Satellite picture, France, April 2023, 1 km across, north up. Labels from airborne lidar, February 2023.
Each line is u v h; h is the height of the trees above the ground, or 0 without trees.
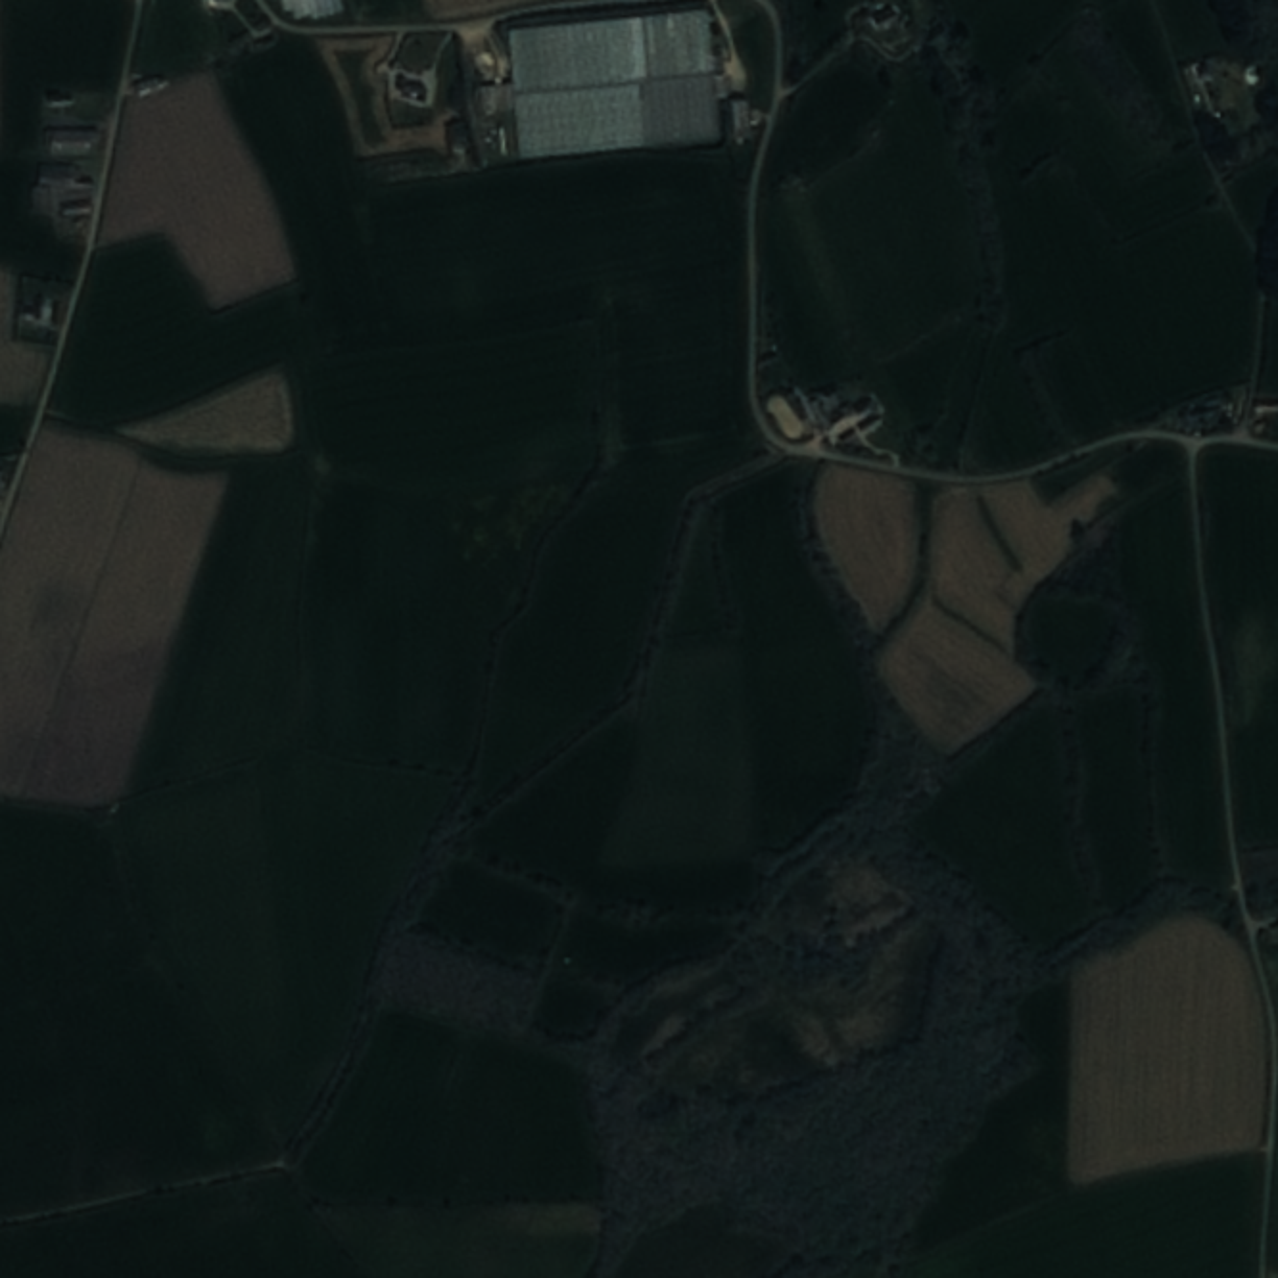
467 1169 0
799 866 7
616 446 0
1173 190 0
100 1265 0
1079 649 0
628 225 0
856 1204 9
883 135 0
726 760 0
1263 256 11
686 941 0
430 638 0
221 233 0
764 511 0
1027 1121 0
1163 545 0
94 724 0
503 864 6
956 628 0
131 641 0
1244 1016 0
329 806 0
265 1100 0
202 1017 0
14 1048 0
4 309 0
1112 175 0
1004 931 7
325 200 0
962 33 12
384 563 0
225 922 0
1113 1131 0
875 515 0
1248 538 0
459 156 0
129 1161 0
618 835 0
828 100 0
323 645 0
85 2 0
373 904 0
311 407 0
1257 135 8
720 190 0
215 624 0
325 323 0
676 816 0
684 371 0
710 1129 7
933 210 0
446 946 11
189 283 0
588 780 0
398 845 0
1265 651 0
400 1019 0
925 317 0
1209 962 0
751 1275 0
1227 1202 0
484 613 0
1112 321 0
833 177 0
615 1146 8
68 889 0
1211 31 0
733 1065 0
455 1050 0
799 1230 11
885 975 0
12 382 0
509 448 0
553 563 0
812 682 0
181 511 0
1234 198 0
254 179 0
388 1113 0
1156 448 0
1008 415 0
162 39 0
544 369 0
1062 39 0
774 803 0
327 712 0
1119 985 0
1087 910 0
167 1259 0
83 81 0
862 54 10
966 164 9
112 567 0
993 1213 0
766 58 0
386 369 0
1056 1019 0
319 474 0
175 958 0
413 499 0
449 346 0
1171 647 0
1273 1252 0
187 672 0
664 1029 0
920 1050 8
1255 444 0
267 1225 0
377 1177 0
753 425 0
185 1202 0
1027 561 0
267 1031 0
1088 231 0
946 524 0
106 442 0
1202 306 0
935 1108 7
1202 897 6
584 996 0
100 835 0
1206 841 0
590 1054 6
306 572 0
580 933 0
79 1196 0
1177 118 0
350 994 0
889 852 7
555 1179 0
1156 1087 0
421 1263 0
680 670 0
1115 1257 0
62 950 0
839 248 0
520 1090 0
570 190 0
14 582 0
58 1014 0
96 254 0
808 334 0
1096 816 0
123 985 0
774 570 0
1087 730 0
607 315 0
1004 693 0
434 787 0
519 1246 0
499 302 0
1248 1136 0
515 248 0
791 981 6
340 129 0
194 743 0
